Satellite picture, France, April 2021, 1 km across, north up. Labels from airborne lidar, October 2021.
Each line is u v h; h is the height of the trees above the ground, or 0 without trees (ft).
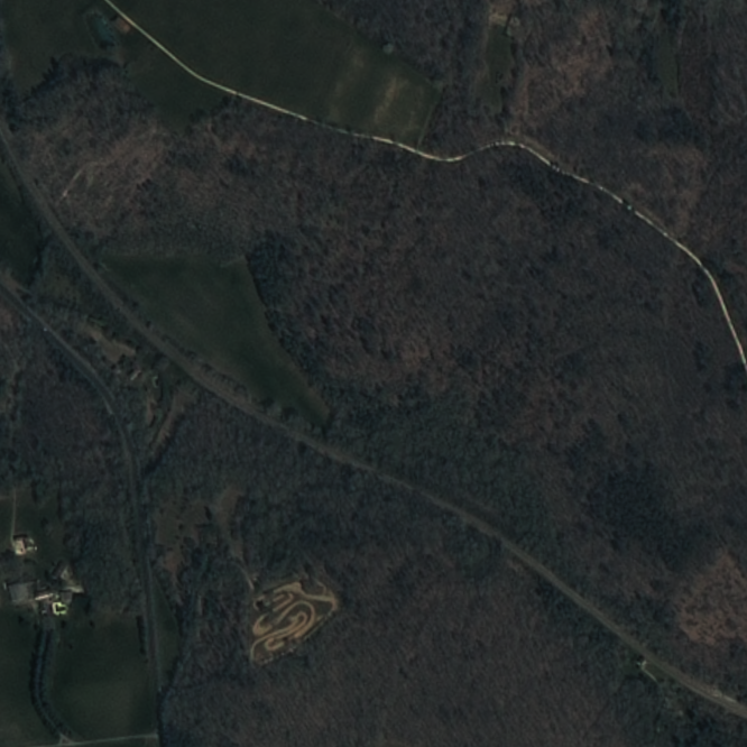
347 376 62
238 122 48
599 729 52
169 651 0
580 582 61
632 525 86
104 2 0
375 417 32
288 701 58
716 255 31
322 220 73
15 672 0
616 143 47
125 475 76
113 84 76
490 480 90
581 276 44
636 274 44
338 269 27
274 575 54
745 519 64
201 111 0
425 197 27
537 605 54
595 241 38
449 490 87
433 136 19
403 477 77
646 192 42
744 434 60
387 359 41
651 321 70
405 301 24
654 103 67
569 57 47
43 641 50
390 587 38
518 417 89
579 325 44
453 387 29
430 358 20
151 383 0
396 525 73
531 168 44
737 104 59
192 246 66
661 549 86
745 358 34
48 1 0
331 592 42
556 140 58
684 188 52
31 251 0
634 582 57
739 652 47
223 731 78
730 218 20
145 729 0
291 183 45
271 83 0
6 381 51
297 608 0
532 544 70
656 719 44
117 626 0
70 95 86
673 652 41
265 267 76
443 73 65
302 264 49
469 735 53
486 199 45
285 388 0
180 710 80
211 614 42
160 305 0
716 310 39
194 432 50
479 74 39
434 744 63
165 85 0
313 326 54
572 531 55
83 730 0
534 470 50
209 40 0
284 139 48
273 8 0
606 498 63
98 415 33
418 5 48
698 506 64
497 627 48
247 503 34
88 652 0
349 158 29
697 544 82
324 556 64
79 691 0
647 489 83
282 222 71
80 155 53
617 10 64
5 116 30
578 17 61
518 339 32
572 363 37
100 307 62
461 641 37
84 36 0
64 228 23
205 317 0
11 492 55
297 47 0
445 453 84
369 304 61
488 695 59
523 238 53
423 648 67
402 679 62
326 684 62
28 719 0
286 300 51
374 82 0
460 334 43
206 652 25
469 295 50
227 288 0
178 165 80
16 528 0
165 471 64
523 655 59
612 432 61
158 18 0
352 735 63
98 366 50
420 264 45
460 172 31
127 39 0
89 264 22
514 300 56
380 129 0
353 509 98
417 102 0
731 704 0
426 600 43
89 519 99
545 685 58
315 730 59
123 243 64
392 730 59
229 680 52
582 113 46
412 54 36
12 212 0
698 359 42
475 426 66
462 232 52
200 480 86
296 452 80
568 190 85
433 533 64
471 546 82
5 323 0
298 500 73
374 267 41
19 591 0
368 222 40
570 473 65
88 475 49
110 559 88
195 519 0
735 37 37
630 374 73
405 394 43
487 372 38
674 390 54
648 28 64
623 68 53
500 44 0
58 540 0
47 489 79
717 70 48
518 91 53
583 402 43
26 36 0
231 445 62
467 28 30
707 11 62
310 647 50
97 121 45
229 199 58
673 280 31
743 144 43
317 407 0
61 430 35
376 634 47
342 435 72
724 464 46
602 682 68
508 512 81
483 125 61
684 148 84
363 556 73
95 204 0
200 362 54
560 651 54
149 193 69
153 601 0
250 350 0
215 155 73
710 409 50
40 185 42
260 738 63
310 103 0
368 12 42
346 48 0
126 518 58
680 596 52
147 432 59
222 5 0
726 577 50
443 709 60
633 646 0
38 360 54
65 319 66
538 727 63
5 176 0
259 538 82
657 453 70
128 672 0
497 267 68
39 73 0
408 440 74
